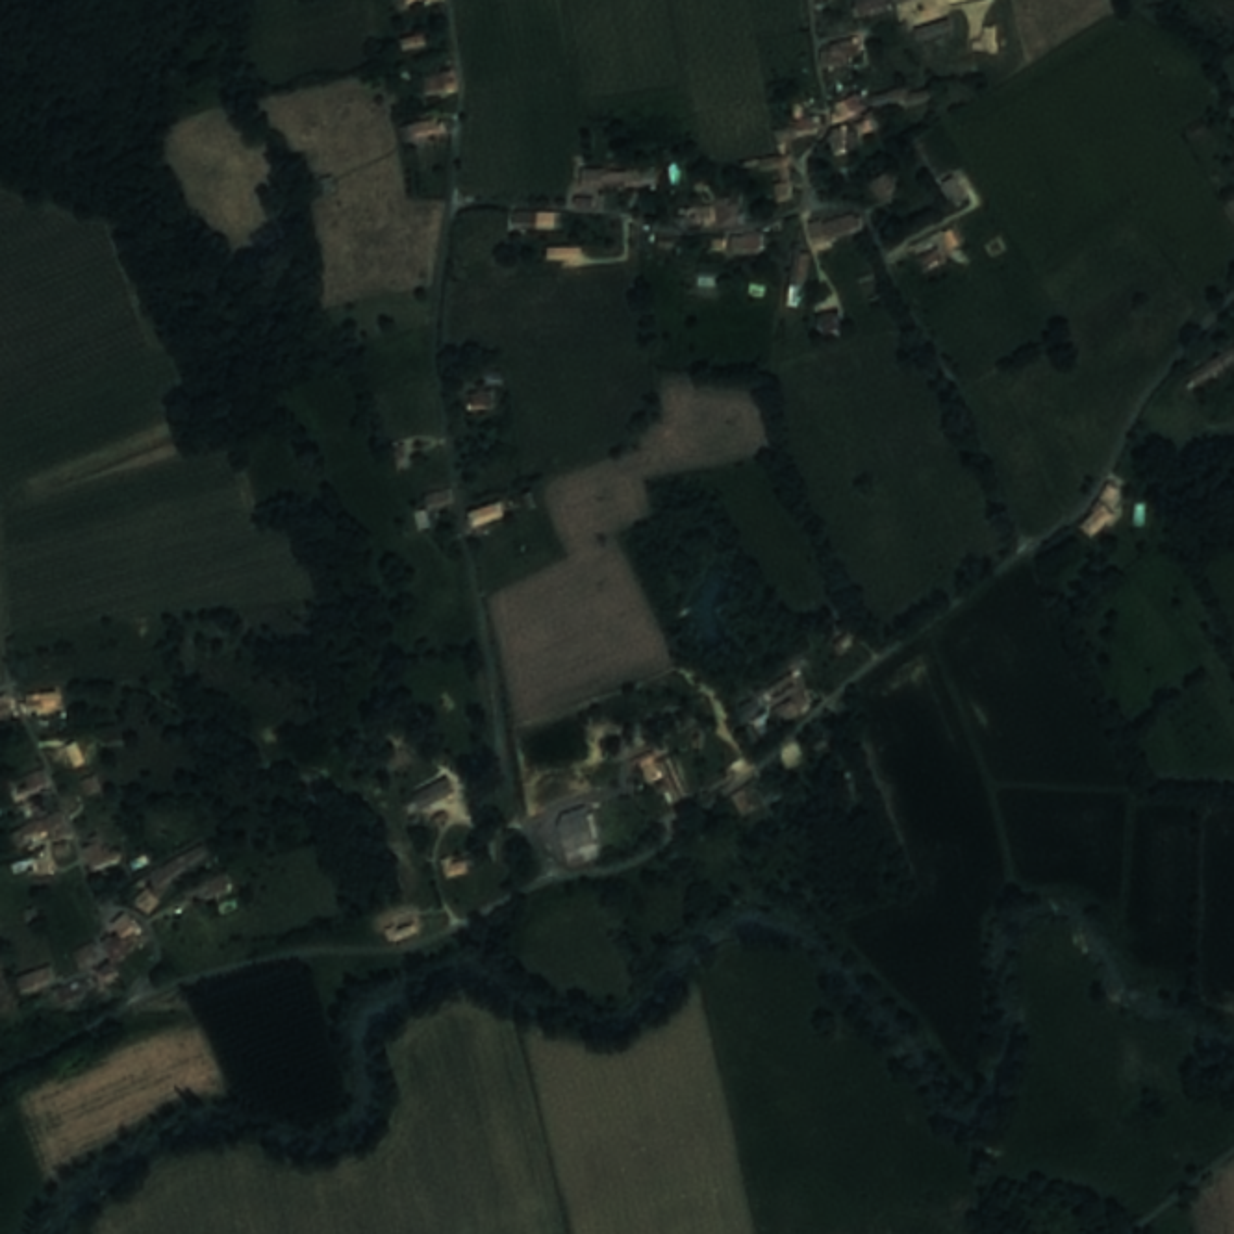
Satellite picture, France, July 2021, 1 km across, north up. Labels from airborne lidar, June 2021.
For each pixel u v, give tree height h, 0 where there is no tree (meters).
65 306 0
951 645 0
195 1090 0
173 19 32
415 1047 0
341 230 0
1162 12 11
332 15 0
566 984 0
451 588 0
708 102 0
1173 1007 11
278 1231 0
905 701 0
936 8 0
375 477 0
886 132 11
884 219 13
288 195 23
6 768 6
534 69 0
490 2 0
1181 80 0
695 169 10
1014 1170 0
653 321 9
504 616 0
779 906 23
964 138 0
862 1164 0
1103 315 0
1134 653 0
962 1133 20
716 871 0
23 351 0
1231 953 0
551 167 0
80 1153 0
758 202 14
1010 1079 27
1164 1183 0
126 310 0
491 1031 0
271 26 0
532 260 12
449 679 0
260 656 19
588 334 0
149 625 0
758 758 14
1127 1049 0
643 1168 0
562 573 0
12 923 0
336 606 20
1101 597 12
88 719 14
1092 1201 21
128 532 0
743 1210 0
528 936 0
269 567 0
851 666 0
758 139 0
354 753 23
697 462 0
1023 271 0
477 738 16
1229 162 9
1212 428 0
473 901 0
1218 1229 0
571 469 0
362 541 21
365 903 13
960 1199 0
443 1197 0
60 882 0
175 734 13
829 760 10
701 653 8
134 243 20
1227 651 14
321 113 0
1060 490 0
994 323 0
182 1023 0
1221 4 0
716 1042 0
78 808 0
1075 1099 0
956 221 0
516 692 0
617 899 28
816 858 14
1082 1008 0
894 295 18
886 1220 0
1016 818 0
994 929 7
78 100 24
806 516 22
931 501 0
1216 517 23
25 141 28
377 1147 20
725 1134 0
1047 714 0
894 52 0
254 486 0
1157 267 0
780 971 0
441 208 0
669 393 0
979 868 0
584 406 0
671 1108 0
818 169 15
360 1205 0
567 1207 0
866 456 0
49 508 0
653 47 0
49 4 23
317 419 0
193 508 0
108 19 21
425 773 0
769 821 0
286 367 28
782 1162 0
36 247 0
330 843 19
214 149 0
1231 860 0
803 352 0
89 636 0
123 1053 0
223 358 16
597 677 0
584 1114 0
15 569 0
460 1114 0
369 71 8
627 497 0
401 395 0
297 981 20
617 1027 11
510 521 10
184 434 18
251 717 14
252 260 22
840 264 0
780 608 20
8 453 0
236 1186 0
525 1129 0
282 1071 26
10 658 7
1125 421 0
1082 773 0
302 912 0
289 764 10
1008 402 0
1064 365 18
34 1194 0
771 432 17
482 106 0
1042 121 0
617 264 0
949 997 0
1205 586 15
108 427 0
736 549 16
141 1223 0
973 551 0
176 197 19
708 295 0
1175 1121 0
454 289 0
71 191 23
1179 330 0
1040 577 9
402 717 21
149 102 27
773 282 6
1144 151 0
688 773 0
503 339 0
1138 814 0
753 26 0
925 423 0
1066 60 0
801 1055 0
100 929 0
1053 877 0
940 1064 14
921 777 0
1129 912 0
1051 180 0
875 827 17
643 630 0
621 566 0
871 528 0
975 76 9
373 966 0
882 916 0
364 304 0
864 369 0
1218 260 0
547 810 0
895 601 0
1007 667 0
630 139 8
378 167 0
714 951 22
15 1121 0
